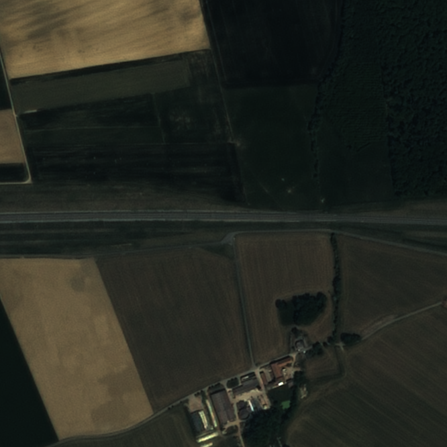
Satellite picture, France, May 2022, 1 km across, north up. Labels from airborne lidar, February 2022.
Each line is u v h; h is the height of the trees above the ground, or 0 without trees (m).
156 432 0
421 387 0
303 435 0
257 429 24
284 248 0
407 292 0
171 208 0
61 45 0
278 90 0
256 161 0
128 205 0
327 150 0
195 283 0
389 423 0
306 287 0
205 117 0
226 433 0
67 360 0
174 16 0
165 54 0
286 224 0
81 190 0
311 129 17
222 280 0
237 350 0
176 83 0
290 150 0
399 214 0
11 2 0
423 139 27
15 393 0
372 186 0
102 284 0
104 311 0
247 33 0
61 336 0
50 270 0
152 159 0
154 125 0
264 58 0
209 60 0
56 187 0
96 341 0
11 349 0
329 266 0
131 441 0
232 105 0
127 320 0
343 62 11
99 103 0
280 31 0
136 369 0
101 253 0
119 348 0
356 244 0
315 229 0
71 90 0
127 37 0
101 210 0
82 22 0
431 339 0
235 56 0
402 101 23
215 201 0
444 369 0
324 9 0
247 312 0
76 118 0
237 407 0
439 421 0
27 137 0
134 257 0
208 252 0
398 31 21
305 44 0
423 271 0
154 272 0
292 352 0
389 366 0
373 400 0
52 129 0
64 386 0
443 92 24
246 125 0
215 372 0
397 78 19
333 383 0
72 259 0
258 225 0
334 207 0
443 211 0
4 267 0
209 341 0
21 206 0
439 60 20
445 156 28
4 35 0
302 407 0
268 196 0
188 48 0
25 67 0
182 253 0
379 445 0
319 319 0
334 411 0
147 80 0
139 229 0
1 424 0
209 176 0
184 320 0
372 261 0
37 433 0
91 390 0
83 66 0
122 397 0
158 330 0
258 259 0
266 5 0
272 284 0
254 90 0
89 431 0
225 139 0
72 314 0
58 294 0
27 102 0
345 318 0
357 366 0
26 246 0
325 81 13
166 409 0
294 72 0
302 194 0
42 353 0
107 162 0
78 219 0
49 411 0
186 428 0
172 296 0
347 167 0
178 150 0
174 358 0
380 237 0
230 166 0
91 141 0
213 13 0
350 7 16
